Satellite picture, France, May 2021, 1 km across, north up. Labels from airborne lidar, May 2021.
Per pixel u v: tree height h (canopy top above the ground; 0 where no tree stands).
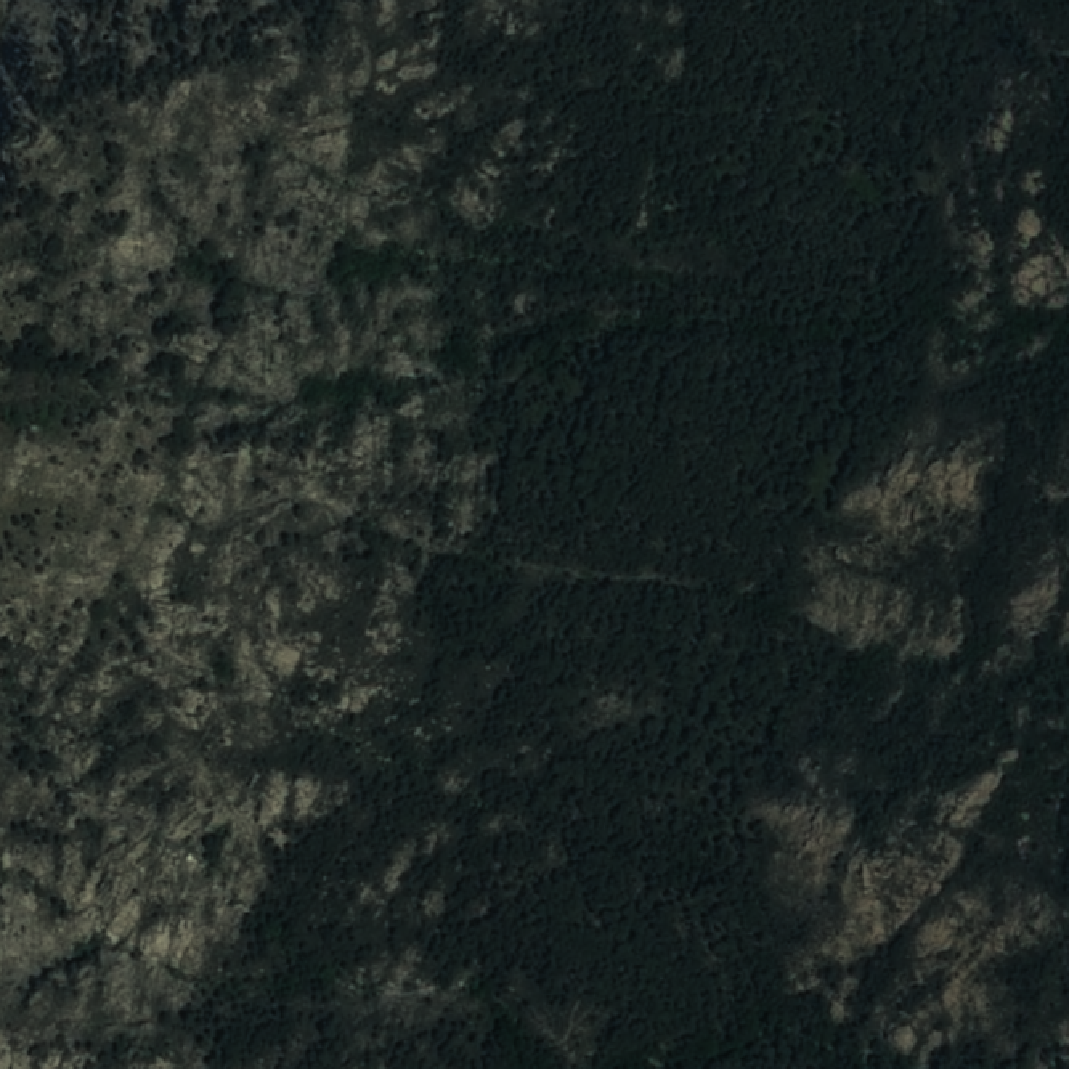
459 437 6
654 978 22
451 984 14
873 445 26
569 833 18
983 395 15
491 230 11
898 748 14
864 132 19
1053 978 16
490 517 18
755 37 14
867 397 21
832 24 18
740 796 21
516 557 17
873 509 0
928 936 0
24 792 0
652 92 9
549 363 19
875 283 15
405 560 5
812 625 15
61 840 14
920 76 23
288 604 0
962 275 18
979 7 24
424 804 13
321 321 7
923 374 19
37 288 9
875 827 9
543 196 15
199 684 9
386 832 11
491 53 14
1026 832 6
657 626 23
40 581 0
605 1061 15
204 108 0
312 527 0
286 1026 16
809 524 15
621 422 19
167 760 10
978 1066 25
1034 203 14
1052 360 10
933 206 16
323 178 6
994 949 0
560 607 12
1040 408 7
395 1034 7
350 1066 11
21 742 10
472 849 16
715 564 19
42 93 10
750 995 19
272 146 23
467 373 7
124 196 0
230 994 8
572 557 17
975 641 18
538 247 15
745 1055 16
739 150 20
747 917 22
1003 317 11
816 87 20
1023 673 6
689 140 18
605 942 22
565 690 21
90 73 20
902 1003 8
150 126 0
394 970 0
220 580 0
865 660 22
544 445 25
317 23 18
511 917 20
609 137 18
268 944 15
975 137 11
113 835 0
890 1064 25
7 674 15
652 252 14
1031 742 8
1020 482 12
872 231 22
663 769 17
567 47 14
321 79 0
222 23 15
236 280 21
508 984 15
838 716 14
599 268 15
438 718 15
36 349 15
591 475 28
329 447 6
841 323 19
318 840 19
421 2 0
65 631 10
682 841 11
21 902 0
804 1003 16
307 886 9
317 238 16
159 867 0
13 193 11
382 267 12
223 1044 19
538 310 15
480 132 13
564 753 8
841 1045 23
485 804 10
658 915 19
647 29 7
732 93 14
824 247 21
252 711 0
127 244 0
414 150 0
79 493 0
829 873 0
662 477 19
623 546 19
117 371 23
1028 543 9
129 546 0
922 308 23
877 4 19
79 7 12
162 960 0
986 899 0
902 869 0
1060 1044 12
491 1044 19
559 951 26
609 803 21
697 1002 22
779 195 22
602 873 20
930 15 20
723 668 26
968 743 15
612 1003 17
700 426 22
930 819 7
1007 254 7
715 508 22
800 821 0
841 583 0
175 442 20
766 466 18
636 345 27
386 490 9
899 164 23
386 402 14
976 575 13
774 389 30
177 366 24
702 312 10
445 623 12
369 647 0
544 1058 23
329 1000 12
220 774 0
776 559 18
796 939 9
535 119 14
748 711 24
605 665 13
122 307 0
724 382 26
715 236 9
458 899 15
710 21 18
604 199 22
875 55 27
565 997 14
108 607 9
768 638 20
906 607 0
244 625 0
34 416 13
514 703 19
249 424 15
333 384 10
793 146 18
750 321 14
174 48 19
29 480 0
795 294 16
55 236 11
